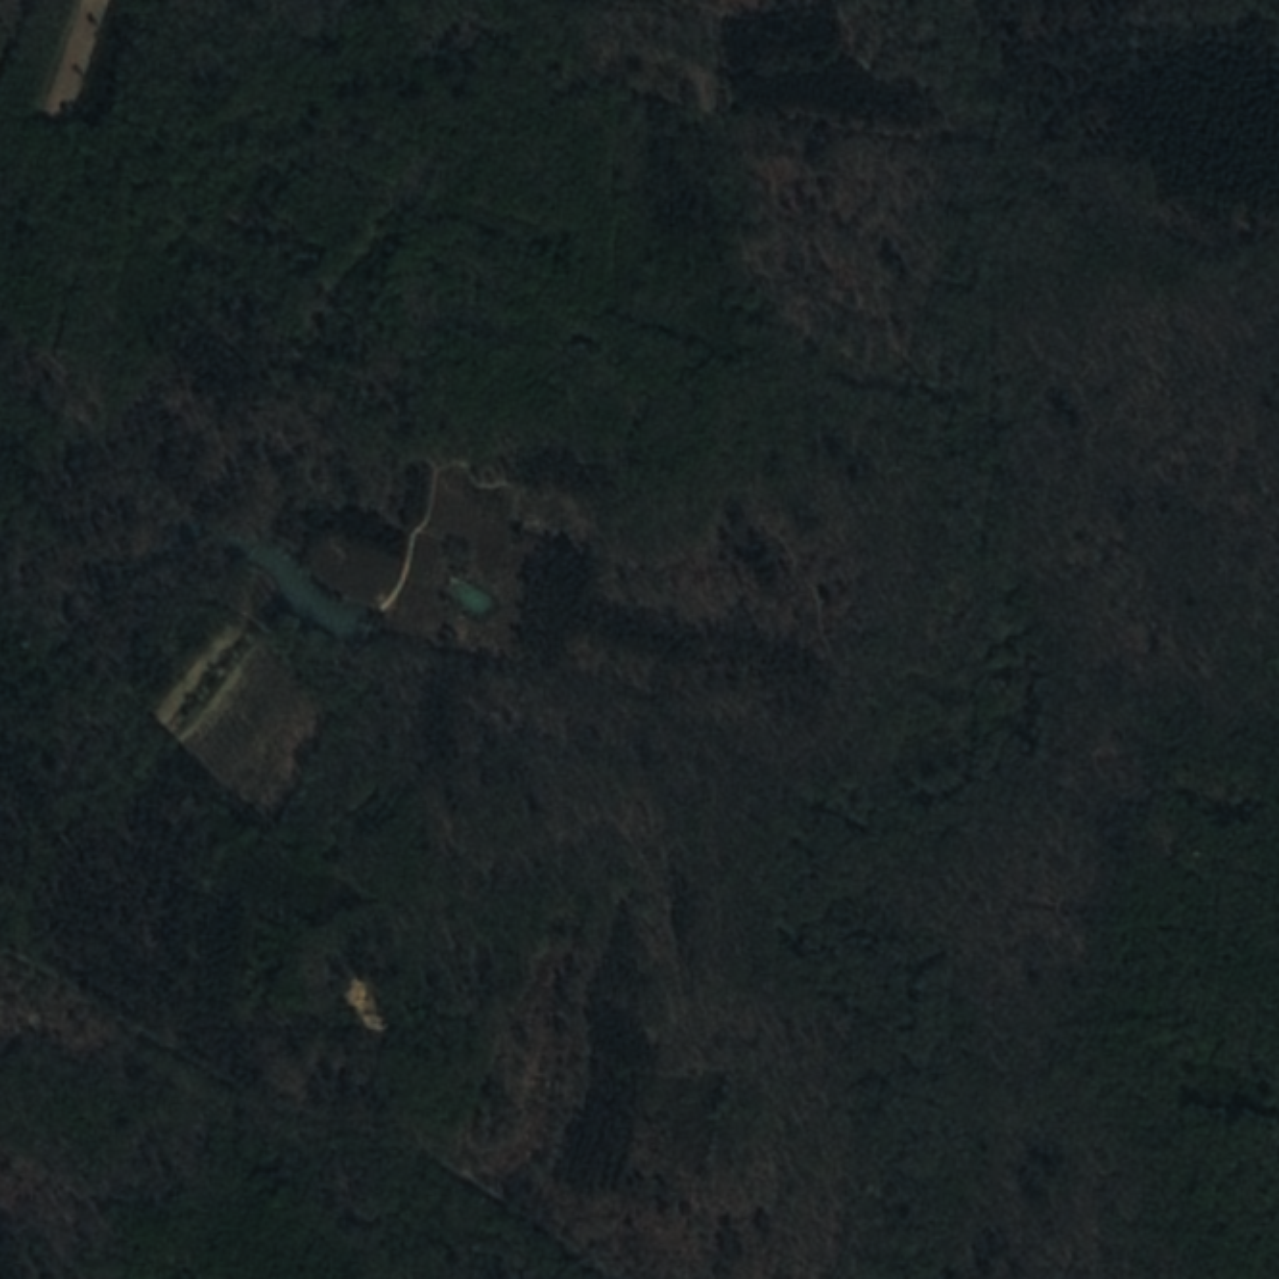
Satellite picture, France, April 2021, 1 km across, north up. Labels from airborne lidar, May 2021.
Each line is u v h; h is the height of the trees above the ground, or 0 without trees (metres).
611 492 15
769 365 22
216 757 15
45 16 12
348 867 20
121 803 17
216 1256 19
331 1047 12
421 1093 20
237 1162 19
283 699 14
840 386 22
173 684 19
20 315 18
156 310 14
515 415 19
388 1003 19
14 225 23
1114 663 12
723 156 14
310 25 15
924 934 22
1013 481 20
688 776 18
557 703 15
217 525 23
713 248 10
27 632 19
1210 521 11
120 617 26
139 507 15
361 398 15
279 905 19
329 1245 18
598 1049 14
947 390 8
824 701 15
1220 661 13
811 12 19
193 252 11
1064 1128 19
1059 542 17
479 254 18
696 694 14
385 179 13
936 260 19
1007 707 20
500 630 0
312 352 9
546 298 18
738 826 18
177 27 15
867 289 11
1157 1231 17
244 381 15
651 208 12
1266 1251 20
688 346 19
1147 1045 25
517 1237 24
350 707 20
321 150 13
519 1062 10
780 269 17
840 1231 8
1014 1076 20
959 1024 19
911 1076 23
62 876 16
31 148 22
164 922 8
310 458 17
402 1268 21
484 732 18
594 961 14
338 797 15
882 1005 18
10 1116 23
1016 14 23
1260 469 11
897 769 21
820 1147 16
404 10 18
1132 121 21
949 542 21
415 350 16
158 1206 19
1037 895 12
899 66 18
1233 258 24
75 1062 19
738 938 20
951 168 16
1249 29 21
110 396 20
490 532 0
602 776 20
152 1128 13
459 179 13
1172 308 13
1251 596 14
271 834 17
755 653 17
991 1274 27
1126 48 21
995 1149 27
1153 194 19
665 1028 16
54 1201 14
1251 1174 21
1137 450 14
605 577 15
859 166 14
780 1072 18
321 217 15
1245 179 21
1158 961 22
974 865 13
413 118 17
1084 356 18
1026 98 20
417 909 16
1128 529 15
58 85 0
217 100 19
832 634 12
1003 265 24
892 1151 26
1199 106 23
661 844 19
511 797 16
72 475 19
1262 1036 18
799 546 10
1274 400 12
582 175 17
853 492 16
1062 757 17
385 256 10
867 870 19
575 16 21
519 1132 15
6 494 25
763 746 16
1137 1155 18
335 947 17
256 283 12
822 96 13
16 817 13
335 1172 22
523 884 16
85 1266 20
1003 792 24
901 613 18
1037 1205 25
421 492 14
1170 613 12
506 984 14
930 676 11
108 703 18
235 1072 24
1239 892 19
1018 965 12
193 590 19
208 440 11
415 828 20
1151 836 22
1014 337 19
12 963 11
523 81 16
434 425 19
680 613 14
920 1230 29
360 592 0
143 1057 16
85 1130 18
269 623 19
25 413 27
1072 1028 17
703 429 21
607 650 13
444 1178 16
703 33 14
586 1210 11
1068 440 16
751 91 12
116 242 17
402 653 17
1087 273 20
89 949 15
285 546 11
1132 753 14
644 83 17
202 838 11
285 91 16
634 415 15
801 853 23
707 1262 10
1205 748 22
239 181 13
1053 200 24
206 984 16
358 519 12
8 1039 11
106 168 20
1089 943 17
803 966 21
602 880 20
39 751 20
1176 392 8
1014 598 15
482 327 17
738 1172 15
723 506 17
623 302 14
